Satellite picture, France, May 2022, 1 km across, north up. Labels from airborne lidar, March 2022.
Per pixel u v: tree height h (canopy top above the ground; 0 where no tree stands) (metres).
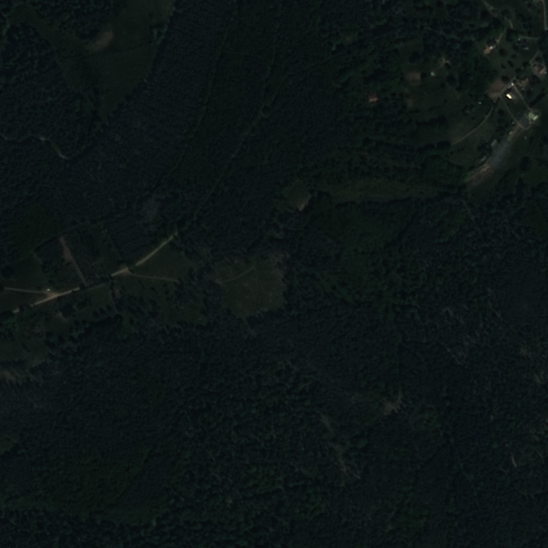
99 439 32
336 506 22
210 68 18
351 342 24
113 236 21
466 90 19
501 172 0
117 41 0
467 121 0
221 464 26
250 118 22
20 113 23
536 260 18
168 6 0
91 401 26
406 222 13
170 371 28
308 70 16
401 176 9
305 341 29
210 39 19
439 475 22
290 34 16
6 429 26
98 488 21
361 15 27
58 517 33
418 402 17
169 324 0
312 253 25
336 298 26
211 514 31
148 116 21
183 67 23
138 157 22
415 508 18
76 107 27
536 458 18
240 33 18
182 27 20
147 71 0
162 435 21
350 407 25
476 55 20
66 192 22
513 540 21
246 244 23
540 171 0
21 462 30
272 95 12
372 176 15
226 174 17
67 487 22
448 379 23
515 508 18
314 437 26
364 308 26
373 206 14
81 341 22
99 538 32
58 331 0
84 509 18
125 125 23
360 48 20
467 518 25
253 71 18
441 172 19
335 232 20
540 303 21
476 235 26
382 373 21
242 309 0
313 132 26
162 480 26
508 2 0
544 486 25
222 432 26
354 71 17
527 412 23
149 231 24
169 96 22
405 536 20
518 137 0
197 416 27
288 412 29
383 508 20
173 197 35
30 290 0
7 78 20
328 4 25
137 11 0
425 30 19
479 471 21
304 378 26
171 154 20
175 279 0
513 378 20
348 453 19
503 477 19
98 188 20
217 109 19
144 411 31
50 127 21
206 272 24
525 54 0
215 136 16
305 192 0
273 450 28
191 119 18
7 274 21
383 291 33
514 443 16
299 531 21
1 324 23
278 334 26
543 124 0
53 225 18
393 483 21
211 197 14
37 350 0
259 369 20
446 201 19
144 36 0
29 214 16
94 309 0
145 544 35
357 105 18
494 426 19
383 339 25
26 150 27
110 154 20
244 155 17
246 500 29
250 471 29
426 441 23
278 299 0
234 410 25
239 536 33
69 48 0
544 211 20
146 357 26
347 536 19
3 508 25
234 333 28
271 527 35
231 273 0
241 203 19
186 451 28
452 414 23
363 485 20
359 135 23
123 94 0
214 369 23
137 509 22
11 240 19
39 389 24
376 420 20
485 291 23
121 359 26
